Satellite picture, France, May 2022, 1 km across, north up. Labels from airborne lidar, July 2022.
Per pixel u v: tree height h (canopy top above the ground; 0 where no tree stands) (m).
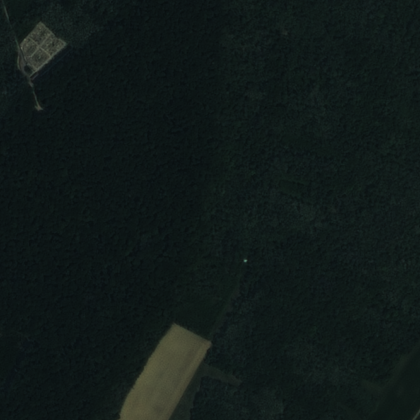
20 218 29
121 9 31
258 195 19
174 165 26
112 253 30
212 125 28
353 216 19
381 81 14
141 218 29
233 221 22
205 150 24
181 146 29
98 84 27
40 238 27
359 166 16
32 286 29
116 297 29
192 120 29
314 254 14
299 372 18
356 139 16
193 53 26
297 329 12
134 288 29
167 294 24
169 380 0
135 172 25
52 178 27
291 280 16
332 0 20
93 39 25
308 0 14
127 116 25
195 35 28
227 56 19
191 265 25
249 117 20
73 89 28
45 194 29
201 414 18
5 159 29
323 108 25
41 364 29
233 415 17
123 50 26
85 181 27
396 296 16
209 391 18
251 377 14
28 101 28
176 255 28
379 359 19
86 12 26
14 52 25
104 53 27
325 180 17
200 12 31
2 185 29
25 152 26
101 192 23
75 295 31
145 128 28
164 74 24
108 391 24
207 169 28
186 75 28
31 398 30
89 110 27
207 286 22
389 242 21
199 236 12
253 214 23
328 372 17
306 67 6
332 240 16
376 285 20
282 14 26
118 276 30
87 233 24
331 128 17
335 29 15
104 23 17
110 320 30
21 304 30
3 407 23
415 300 9
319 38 14
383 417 0
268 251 25
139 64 28
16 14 10
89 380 28
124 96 25
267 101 25
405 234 16
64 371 29
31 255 24
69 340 31
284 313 14
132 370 18
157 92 25
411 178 18
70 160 29
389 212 19
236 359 23
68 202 27
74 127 26
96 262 26
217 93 18
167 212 31
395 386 0
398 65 11
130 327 25
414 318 24
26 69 15
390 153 18
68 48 13
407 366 0
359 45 22
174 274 24
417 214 16
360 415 12
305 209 23
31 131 28
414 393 0
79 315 29
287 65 31
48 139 27
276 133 20
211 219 19
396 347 17
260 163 19
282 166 27
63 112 24
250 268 16
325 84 6
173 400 0
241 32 22
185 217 27
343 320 18
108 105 28
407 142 15
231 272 20
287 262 14
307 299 14
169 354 0
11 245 24
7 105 24
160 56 23
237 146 17
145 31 29
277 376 12
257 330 16
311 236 18
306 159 25
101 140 24
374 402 19
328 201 16
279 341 14
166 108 28
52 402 26
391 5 13
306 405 16
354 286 16
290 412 14
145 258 28
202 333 8
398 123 21
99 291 28
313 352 19
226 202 19
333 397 11
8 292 28
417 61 19
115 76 28
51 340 32
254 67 24
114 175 22
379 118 18
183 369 0
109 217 28
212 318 9
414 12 12
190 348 0
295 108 26
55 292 29
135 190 29
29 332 30
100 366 29
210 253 15
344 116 15
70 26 29
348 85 16
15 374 30
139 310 27
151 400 0
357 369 18
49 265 30
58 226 28
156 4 30
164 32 28
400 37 15
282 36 9
